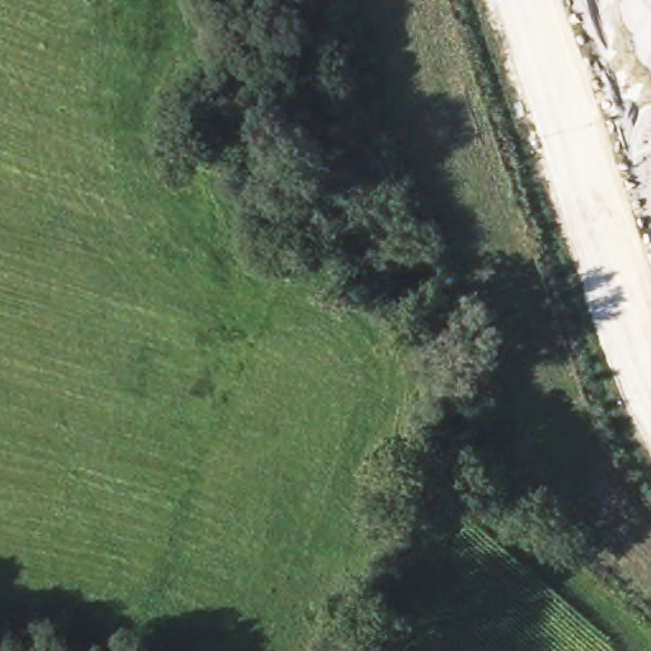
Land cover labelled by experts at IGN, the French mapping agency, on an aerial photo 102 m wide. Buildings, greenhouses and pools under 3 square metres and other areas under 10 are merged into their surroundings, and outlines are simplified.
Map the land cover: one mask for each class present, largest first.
<instances>
[{"label":"agricultural land","instance_id":"1","mask_svg":"<svg viewBox=\"0 0 651 651\"><path fill-rule=\"evenodd\" d=\"M221 33L214 15V5L209 0H0V618L20 620L23 626L46 620L58 643L64 646V651H86L97 641H109L114 631H147L142 636L140 651H295L300 636L310 626L315 598L333 595V575L341 572L346 565L359 562L353 544L361 531L364 498L359 493V476L364 465L374 460L376 440L384 432L397 430L392 425V415L407 381L399 374V366L379 351L381 336L371 326H366V320L359 315V308L343 305V300H320L315 295H308L315 287L313 277L290 280L264 275L262 282H257L244 272H236L231 267L234 259L229 254V239L219 234L216 216L203 209V193L198 191V186L193 181H183L178 188H173L158 173L147 127L153 89L168 81L186 79L196 71L206 74L216 69ZM353 5V13L346 20V31L353 41V66L366 79L364 97L374 107L379 120L397 125V168L404 173L402 181L409 186V191L404 193V206L415 221L435 226L442 244L437 259L445 264L453 282L465 287V298L483 305L486 320L498 333L491 369L483 371V376L491 381V394L496 399L493 409L468 417L476 430L473 435H455L453 430H440L435 422L427 425L425 445L412 455V463L422 470V488H409L407 496L409 501H415L417 509L409 542L425 539L427 552L415 562L422 575V582L420 590L409 598L420 618L417 636L409 651H633L623 631L608 623L585 598H580L570 587V577L565 570H554L539 562L534 554L509 544L491 526L488 519H463V501L453 486L455 476L460 473V450H473V455L481 460L483 476L493 483V488L504 483L516 498L537 488L559 496V529H582L587 544L600 552L620 554V575L628 577L636 590L651 598V506L643 501L636 483L628 481L613 465V455L605 450V437L593 425V415L577 409L562 389L547 392L537 384L534 369L539 364H567L577 359L587 338L572 326V313L565 310V303L557 295H552V287H544L539 272L534 270L531 259L542 254L539 226L526 224V211L519 209L514 201L511 178L504 170L498 142L488 122V104L476 84L470 51L463 38L465 28L453 18L450 0H348Z\"/></svg>","mask_w":651,"mask_h":651},{"label":"deciduous trees","instance_id":"2","mask_svg":"<svg viewBox=\"0 0 651 651\"><path fill-rule=\"evenodd\" d=\"M214 5V15L221 33L216 69L206 74L196 71L186 79L168 81L153 89L147 127L158 173L173 188H178L183 181H193L198 186V191L203 193V209L216 216L219 234L229 239V254L234 259L231 267L236 272H244L257 282H262L264 275L290 280L313 277L315 287L308 295H315L320 300H343V305L359 308V315L366 320V326H371L381 336L379 351L399 366V374L407 381L392 415V425L397 430L384 432L376 440L374 460L364 465L359 476V493L364 498L361 531L353 544L359 562L346 565L341 572L333 575V595L315 598L310 626L300 636L295 651H409L417 636L420 618L409 598L420 590L422 582V575L415 562L427 552L425 539L409 542L417 509L415 501H409L407 496L409 488H422V470L412 463V455L425 445L427 425L435 422L440 430H453L455 435H473L476 430L468 417L493 409L496 399L491 394V381L483 376V371L491 369L498 333L486 320L483 305L465 298V287L453 282L445 264L437 259L442 244L435 226L415 221L404 206V193L409 191V186L402 181L404 173L397 168V125L379 120L374 107L364 97L366 79L353 66V41L346 31V20L353 13V5L348 0H209ZM460 473L455 476L453 486L463 501V519H488L491 526L509 544L534 554L539 562L554 570H565L570 577H575L582 567H590L593 559L600 557V552L587 544L582 529H559V496L537 488L516 498L504 483L493 488V483L483 476L481 460L473 455V450H460ZM0 651H64V646L58 643L46 620L23 626L20 620L0 618ZM147 631H114L109 641H97L86 651H140L142 636Z\"/></svg>","mask_w":651,"mask_h":651},{"label":"pervious surface","instance_id":"3","mask_svg":"<svg viewBox=\"0 0 651 651\"><path fill-rule=\"evenodd\" d=\"M488 8L491 28L504 33L506 38L504 56L506 76L516 89V127L529 137L531 153L539 155V175L547 181L549 198L562 226V236L567 239L570 254L577 262L582 287L587 292V308L593 320L598 323L600 348L608 359V366L615 371V381L620 397L626 399L628 415L636 427V440L651 455V0H483Z\"/></svg>","mask_w":651,"mask_h":651},{"label":"herbaceous vegetation","instance_id":"4","mask_svg":"<svg viewBox=\"0 0 651 651\"><path fill-rule=\"evenodd\" d=\"M453 18L465 28L463 38L470 51L476 84L488 104V122L498 142L504 170L511 178L514 201L519 209L526 211V224L539 226L542 254L531 259L534 270L539 272L544 287H552V295H557L565 303V310L572 313V326L587 338L577 359L567 364H539L534 369L537 384L547 392L562 389L577 409L593 415V425L598 430L610 425L613 417H618L620 412L628 415L626 399L620 397L615 381V371L608 366V359L600 348L598 323L593 320L587 308V292L582 287L577 262L570 254L567 239L562 236V226L549 198L547 181L539 175V155L531 153L529 137L516 127V89L506 76L504 56L506 38L504 33L491 28L488 8L483 0H450ZM620 554L600 552V557L593 559L590 567H582L575 577H570V587L580 598H585L608 623L623 631L633 651H651V598L636 590L628 577L620 575Z\"/></svg>","mask_w":651,"mask_h":651},{"label":"brushwood","instance_id":"5","mask_svg":"<svg viewBox=\"0 0 651 651\"><path fill-rule=\"evenodd\" d=\"M605 437V450L613 455V465L628 481L636 483L643 501L651 506V455L636 440V427L628 415L620 412L618 417H613L610 425L598 430Z\"/></svg>","mask_w":651,"mask_h":651}]
</instances>
